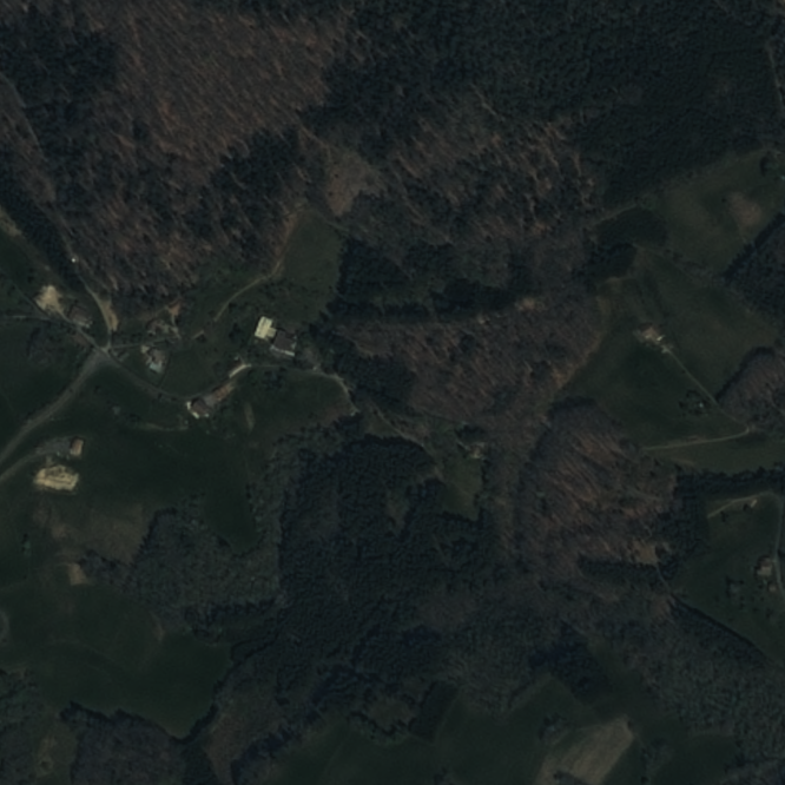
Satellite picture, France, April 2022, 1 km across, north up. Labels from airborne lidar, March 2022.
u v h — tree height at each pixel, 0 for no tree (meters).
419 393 28
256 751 8
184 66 30
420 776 0
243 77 31
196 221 29
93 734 24
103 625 0
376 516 28
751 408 27
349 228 20
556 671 36
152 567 25
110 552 0
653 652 27
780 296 24
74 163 32
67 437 0
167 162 34
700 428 0
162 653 0
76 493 0
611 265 27
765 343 0
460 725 0
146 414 0
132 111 32
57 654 0
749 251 0
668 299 0
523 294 28
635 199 14
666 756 21
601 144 22
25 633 0
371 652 28
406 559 30
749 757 14
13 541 0
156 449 0
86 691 0
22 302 8
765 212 0
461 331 30
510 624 15
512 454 27
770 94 19
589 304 31
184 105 28
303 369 12
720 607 11
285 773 0
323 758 0
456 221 24
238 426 0
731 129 19
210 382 0
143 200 28
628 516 7
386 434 0
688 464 0
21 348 0
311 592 33
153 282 32
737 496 29
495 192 25
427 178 28
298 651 32
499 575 26
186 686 0
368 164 36
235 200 30
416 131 32
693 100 28
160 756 30
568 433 35
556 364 34
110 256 32
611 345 0
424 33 31
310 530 20
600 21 19
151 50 29
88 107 30
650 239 7
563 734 13
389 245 26
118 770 27
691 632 31
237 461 0
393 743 19
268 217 24
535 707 0
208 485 0
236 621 28
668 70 31
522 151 23
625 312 0
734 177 0
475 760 0
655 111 25
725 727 14
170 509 0
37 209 31
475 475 0
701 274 17
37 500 0
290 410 0
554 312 28
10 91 32
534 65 22
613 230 7
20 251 0
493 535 31
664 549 30
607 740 0
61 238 32
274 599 9
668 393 0
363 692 31
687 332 0
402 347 33
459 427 23
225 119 26
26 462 0
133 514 0
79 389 0
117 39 26
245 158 29
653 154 17
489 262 24
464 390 19
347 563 31
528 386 31
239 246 26
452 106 23
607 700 8
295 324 0
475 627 16
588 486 37
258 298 0
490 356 33
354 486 32
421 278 27
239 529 0
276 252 34
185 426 0
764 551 0
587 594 35
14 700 17
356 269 33
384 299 29
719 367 0
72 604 0
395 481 29
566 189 29
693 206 0
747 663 31
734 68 20
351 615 31
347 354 39
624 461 16
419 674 30
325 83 25
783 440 21
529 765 0
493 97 14
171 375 0
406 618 29
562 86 21
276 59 27
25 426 7
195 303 14
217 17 22
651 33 19
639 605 27
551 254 27
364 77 20
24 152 34
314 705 16
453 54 25
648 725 0
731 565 0
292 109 32
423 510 30
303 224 0
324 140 31
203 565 18
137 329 0
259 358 13
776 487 31
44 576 0
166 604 21
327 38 22
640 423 0
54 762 0
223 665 0
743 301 17
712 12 21
